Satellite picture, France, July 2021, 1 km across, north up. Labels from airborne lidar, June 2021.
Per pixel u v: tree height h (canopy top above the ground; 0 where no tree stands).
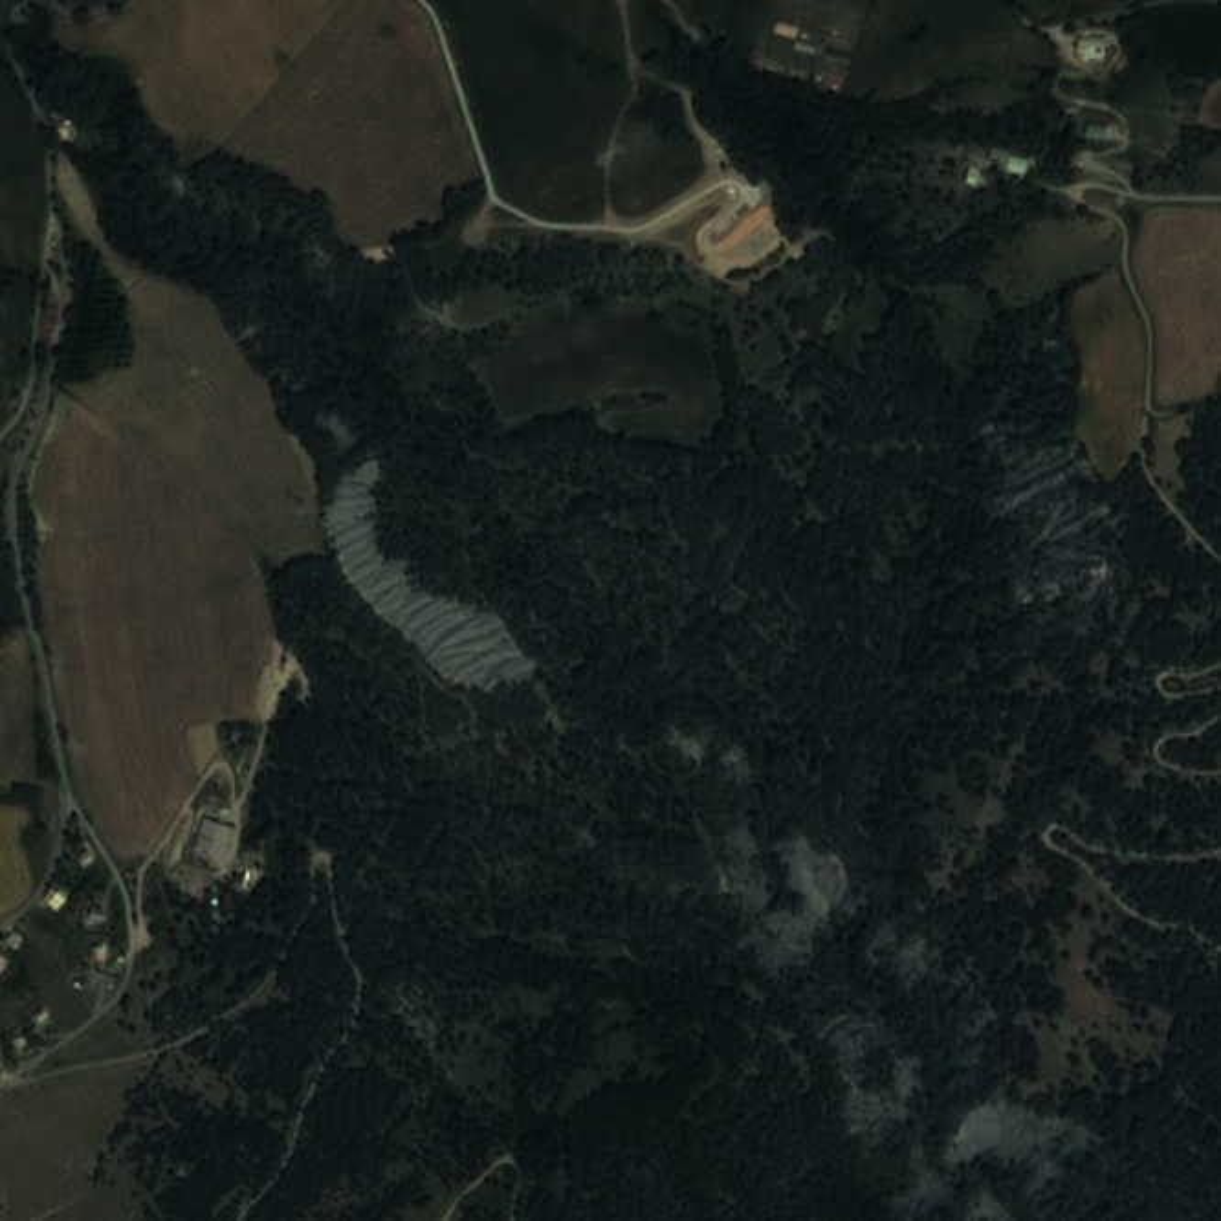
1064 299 10
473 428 7
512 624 18
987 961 19
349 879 14
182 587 0
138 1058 0
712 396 0
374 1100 15
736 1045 9
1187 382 0
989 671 14
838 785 19
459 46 0
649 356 0
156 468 0
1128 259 0
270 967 8
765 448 12
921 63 0
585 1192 8
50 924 0
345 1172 8
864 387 19
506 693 11
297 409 21
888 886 21
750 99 16
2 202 0
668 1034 14
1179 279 0
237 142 0
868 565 18
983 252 9
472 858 20
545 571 22
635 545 20
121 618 0
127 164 10
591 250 13
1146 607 9
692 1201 11
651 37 0
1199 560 12
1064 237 0
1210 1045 14
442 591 13
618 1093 13
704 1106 12
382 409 6
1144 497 10
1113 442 0
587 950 6
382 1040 8
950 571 22
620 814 9
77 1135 0
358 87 0
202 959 11
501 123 0
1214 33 0
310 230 14
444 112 0
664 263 10
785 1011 13
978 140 7
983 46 0
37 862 0
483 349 14
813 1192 13
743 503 20
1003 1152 0
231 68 0
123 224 13
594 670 9
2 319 6
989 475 12
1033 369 12
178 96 0
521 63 0
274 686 0
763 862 9
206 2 0
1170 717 10
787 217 6
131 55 0
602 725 13
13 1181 0
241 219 15
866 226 7
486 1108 7
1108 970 8
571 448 19
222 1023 9
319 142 0
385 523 14
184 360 0
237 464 0
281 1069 11
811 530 17
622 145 0
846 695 17
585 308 11
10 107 0
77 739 0
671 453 16
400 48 0
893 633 23
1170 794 7
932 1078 16
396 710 15
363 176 0
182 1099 8
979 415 12
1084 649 12
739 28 0
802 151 17
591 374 0
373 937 16
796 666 13
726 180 0
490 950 15
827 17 0
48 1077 0
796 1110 9
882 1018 11
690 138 7
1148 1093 16
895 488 13
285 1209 9
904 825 19
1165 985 8
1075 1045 7
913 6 0
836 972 8
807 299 9
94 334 10
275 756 11
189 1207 9
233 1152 7
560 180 0
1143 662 10
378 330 13
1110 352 0
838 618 15
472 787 15
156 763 0
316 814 15
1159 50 0
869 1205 13
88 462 0
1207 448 11
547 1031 15
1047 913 13
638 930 15
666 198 0
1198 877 16
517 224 0
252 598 0
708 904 20
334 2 0
